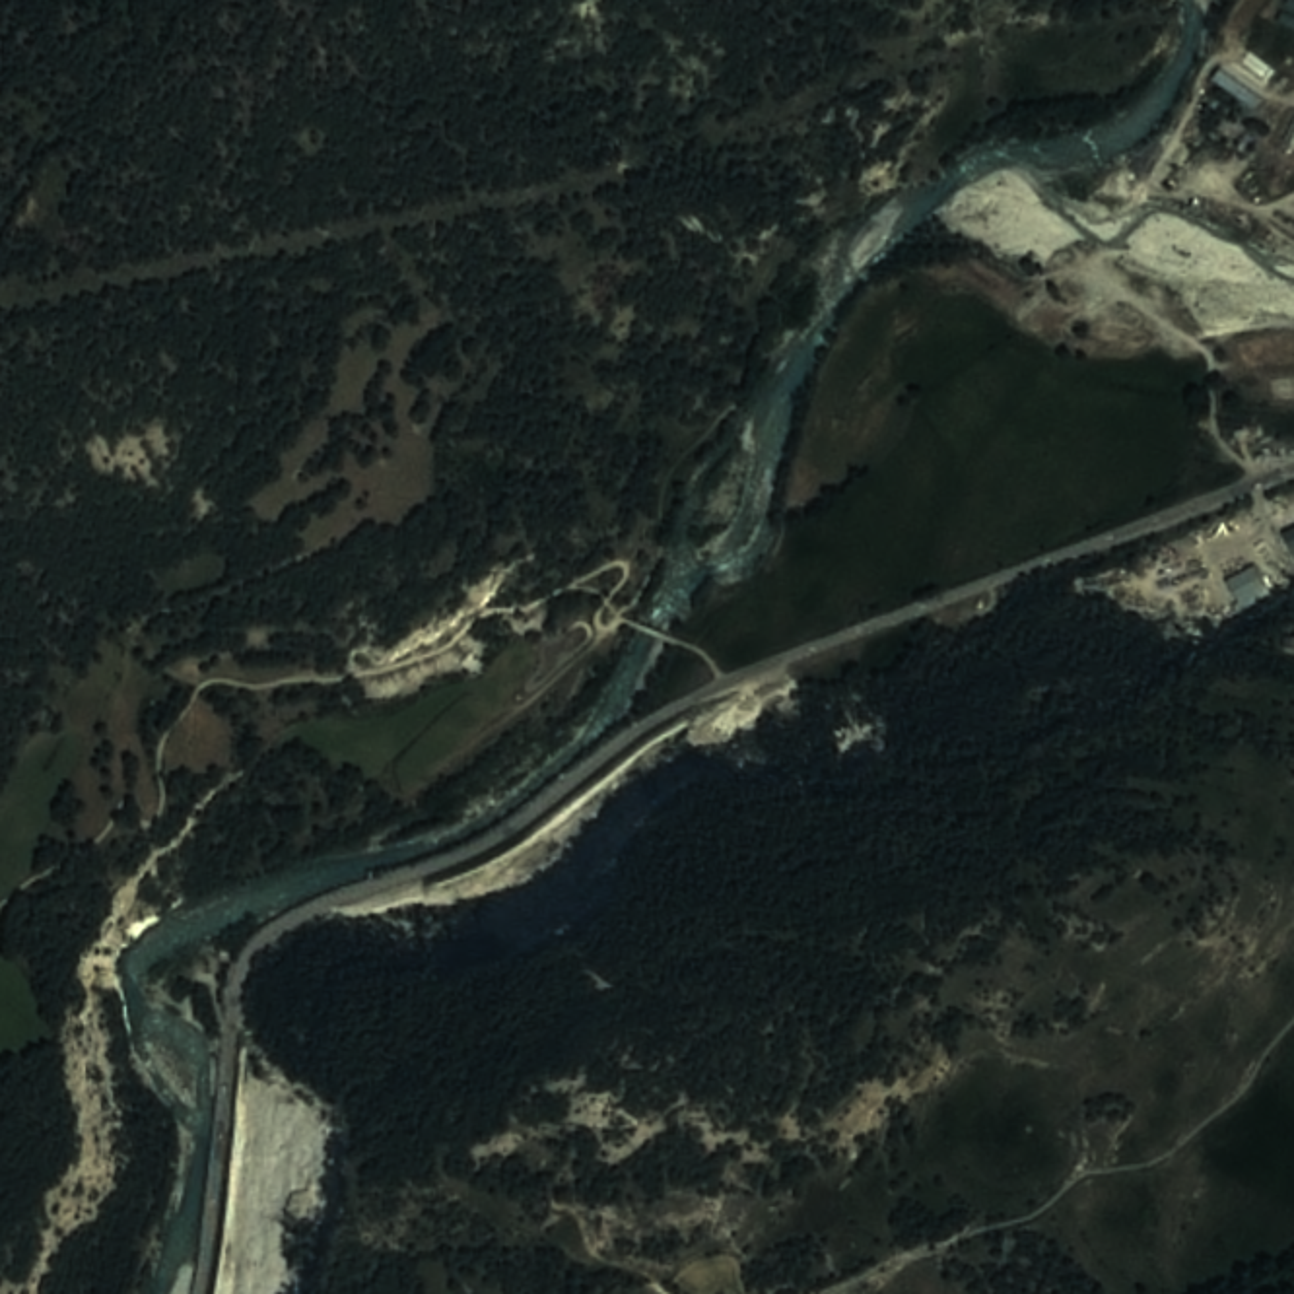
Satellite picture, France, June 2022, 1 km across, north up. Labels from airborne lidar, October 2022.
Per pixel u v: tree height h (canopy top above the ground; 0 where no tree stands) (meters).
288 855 13
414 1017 16
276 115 15
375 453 13
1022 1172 0
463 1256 12
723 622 0
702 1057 10
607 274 14
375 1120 15
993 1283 10
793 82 14
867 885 12
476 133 12
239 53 18
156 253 9
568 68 14
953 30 7
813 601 0
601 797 0
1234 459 0
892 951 7
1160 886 7
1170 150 0
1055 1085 0
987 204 0
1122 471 0
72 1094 10
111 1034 6
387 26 14
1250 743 7
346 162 12
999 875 10
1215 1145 0
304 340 16
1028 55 0
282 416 13
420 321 6
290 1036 8
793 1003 8
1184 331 0
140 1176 16
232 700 7
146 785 0
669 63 7
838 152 16
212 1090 0
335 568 13
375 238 8
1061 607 7
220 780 16
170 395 13
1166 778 9
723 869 14
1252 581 0
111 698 0
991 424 0
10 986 0
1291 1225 0
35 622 13
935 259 15
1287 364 0
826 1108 9
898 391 0
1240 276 0
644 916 13
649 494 16
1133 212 0
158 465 6
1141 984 0
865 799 11
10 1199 13
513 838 0
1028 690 10
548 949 12
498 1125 8
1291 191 0
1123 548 6
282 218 14
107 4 16
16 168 9
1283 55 0
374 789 7
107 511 11
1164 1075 0
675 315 15
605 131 11
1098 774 12
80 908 14
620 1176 9
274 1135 0
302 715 7
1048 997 0
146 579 12
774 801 13
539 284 13
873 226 0
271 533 12
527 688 0
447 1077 15
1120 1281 0
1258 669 9
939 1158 0
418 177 16
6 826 0
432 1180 13
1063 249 0
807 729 6
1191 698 7
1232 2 8
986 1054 0
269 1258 0
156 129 10
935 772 15
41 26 14
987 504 0
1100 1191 0
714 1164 11
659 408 9
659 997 11
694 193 15
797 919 11
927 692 11
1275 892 0
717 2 14
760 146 8
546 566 10
